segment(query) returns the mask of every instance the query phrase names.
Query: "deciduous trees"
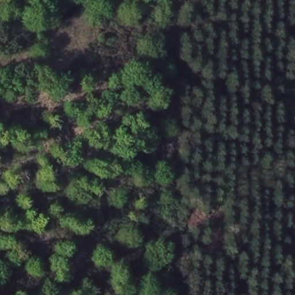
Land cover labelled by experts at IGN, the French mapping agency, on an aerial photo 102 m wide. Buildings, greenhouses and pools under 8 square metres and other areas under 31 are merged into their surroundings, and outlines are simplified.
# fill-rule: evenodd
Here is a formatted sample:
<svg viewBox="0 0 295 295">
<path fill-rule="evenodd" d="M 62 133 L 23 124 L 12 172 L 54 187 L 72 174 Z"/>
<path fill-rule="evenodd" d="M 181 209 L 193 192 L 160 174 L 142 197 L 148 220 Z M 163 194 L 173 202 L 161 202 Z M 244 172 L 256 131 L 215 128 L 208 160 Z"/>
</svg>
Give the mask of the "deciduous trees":
<svg viewBox="0 0 295 295">
<path fill-rule="evenodd" d="M 115 38 L 104 37 L 100 32 L 100 25 L 115 30 L 122 24 L 136 28 L 142 16 L 139 9 L 145 2 L 153 0 L 0 0 L 0 98 L 7 101 L 16 99 L 21 103 L 27 101 L 29 104 L 39 101 L 41 106 L 48 108 L 43 114 L 43 119 L 48 122 L 43 130 L 28 133 L 22 128 L 5 129 L 0 122 L 0 295 L 192 295 L 189 278 L 180 271 L 183 236 L 180 229 L 169 225 L 160 215 L 161 184 L 168 184 L 173 180 L 172 168 L 166 162 L 159 161 L 154 171 L 145 168 L 135 158 L 139 151 L 153 152 L 145 142 L 150 138 L 157 138 L 156 134 L 147 128 L 149 123 L 144 119 L 144 106 L 149 105 L 152 109 L 165 108 L 172 94 L 172 89 L 162 85 L 161 77 L 153 74 L 149 65 L 153 58 L 165 55 L 164 33 L 160 35 L 159 32 L 154 32 L 152 36 L 145 35 L 143 39 L 139 39 L 136 53 L 131 56 L 131 60 L 122 70 L 109 77 L 105 84 L 97 85 L 93 82 L 92 76 L 84 76 L 83 89 L 77 93 L 68 92 L 71 78 L 55 74 L 55 71 L 46 66 L 47 62 L 43 58 L 48 47 L 48 39 L 43 35 L 44 30 L 58 28 L 60 33 L 67 33 L 70 38 L 67 45 L 69 51 L 84 50 L 93 41 L 113 45 Z"/>
<path fill-rule="evenodd" d="M 147 18 L 147 23 L 164 27 L 168 24 L 172 12 L 171 2 L 168 0 L 156 0 L 158 6 Z"/>
</svg>

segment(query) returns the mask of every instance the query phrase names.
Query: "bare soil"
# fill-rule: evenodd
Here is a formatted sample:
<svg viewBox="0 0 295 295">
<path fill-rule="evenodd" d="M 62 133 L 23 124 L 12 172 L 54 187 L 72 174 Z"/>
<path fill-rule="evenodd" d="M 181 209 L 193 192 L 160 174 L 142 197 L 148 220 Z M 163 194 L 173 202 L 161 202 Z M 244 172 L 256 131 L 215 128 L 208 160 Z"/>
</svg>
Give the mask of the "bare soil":
<svg viewBox="0 0 295 295">
<path fill-rule="evenodd" d="M 43 119 L 43 114 L 48 108 L 41 106 L 39 101 L 29 104 L 27 101 L 21 103 L 16 99 L 7 101 L 0 98 L 0 122 L 5 129 L 22 128 L 28 133 L 43 130 L 48 122 Z"/>
<path fill-rule="evenodd" d="M 83 89 L 84 76 L 92 76 L 93 82 L 97 85 L 105 84 L 109 77 L 122 70 L 131 60 L 131 56 L 136 53 L 139 39 L 143 39 L 145 35 L 152 36 L 154 32 L 159 32 L 160 35 L 164 33 L 164 27 L 147 23 L 147 18 L 158 6 L 156 0 L 153 0 L 145 2 L 139 9 L 142 16 L 136 28 L 122 24 L 115 30 L 100 25 L 100 32 L 104 37 L 115 38 L 113 45 L 93 41 L 84 50 L 69 51 L 67 45 L 70 38 L 67 33 L 60 33 L 58 28 L 44 30 L 43 35 L 48 39 L 48 47 L 43 58 L 47 62 L 46 66 L 55 71 L 55 74 L 71 78 L 68 92 L 77 93 Z"/>
</svg>

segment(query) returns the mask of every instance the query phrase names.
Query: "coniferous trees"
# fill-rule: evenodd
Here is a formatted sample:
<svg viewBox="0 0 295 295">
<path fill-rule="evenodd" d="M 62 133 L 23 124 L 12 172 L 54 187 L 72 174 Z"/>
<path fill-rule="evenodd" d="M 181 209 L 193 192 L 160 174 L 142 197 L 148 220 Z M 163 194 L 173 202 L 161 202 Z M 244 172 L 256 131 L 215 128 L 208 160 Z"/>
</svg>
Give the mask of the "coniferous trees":
<svg viewBox="0 0 295 295">
<path fill-rule="evenodd" d="M 183 236 L 180 271 L 189 278 L 192 295 L 295 295 L 295 0 L 168 0 L 171 2 L 172 12 L 168 24 L 164 27 L 164 33 L 165 55 L 153 58 L 149 65 L 153 74 L 161 77 L 162 85 L 172 89 L 172 94 L 165 108 L 152 109 L 149 105 L 144 106 L 144 119 L 149 123 L 147 128 L 156 134 L 157 138 L 150 138 L 145 142 L 153 152 L 139 151 L 135 158 L 145 168 L 154 171 L 159 161 L 166 162 L 172 168 L 173 180 L 168 184 L 161 184 L 160 215 L 169 225 L 180 229 Z"/>
</svg>

